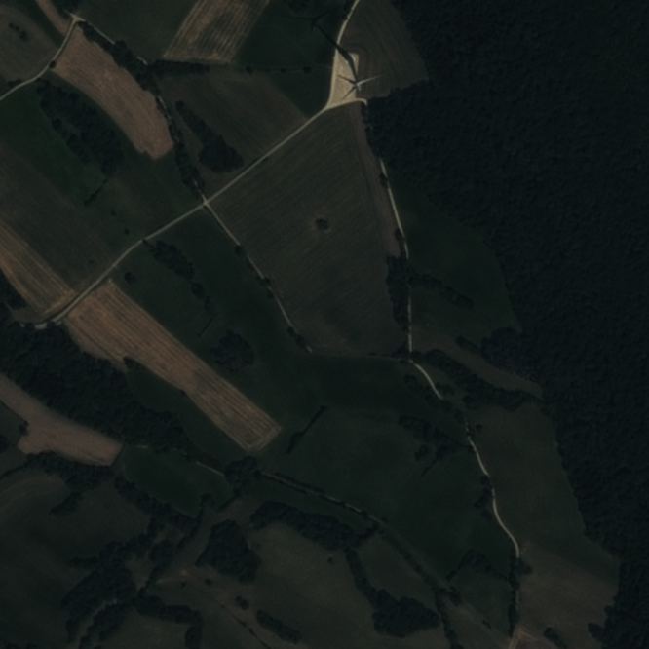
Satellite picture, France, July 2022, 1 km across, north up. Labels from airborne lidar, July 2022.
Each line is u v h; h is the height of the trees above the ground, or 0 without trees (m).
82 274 0
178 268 13
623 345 23
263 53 0
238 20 0
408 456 0
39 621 0
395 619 17
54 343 19
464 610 0
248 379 0
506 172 23
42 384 16
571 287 16
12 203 0
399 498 0
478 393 17
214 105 0
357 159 0
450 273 0
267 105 0
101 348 0
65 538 0
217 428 0
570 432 22
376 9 0
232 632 0
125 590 19
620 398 27
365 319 0
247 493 11
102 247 0
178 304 0
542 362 20
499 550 0
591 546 0
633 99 16
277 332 0
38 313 0
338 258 0
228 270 0
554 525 0
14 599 0
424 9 16
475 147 20
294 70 0
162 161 0
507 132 22
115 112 0
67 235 0
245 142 0
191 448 12
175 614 15
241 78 0
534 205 23
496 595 0
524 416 0
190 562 0
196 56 0
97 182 0
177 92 0
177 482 0
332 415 0
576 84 21
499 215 20
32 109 0
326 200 0
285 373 0
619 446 25
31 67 0
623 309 23
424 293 0
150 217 0
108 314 0
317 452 0
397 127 20
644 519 20
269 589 0
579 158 20
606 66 15
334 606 0
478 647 0
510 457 0
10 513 0
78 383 17
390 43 0
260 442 0
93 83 0
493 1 21
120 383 21
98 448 0
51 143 0
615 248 20
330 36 0
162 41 0
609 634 19
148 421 20
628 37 17
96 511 0
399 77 0
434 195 15
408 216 0
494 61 22
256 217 0
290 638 14
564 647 6
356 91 0
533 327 20
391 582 0
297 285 0
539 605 0
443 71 17
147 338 0
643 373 24
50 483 0
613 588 0
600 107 21
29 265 0
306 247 0
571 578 0
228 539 12
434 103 22
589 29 19
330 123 0
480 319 0
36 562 0
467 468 0
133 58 17
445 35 9
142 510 10
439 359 11
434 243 0
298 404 0
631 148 18
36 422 0
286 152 0
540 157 26
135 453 0
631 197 24
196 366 0
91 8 0
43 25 0
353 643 0
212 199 0
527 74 19
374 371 0
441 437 20
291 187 0
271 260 0
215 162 17
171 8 0
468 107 25
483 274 0
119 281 0
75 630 14
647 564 10
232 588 0
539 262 20
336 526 24
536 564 0
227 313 0
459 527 0
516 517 0
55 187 0
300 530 11
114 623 17
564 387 11
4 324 18
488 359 22
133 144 0
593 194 21
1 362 16
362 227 0
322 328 0
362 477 0
